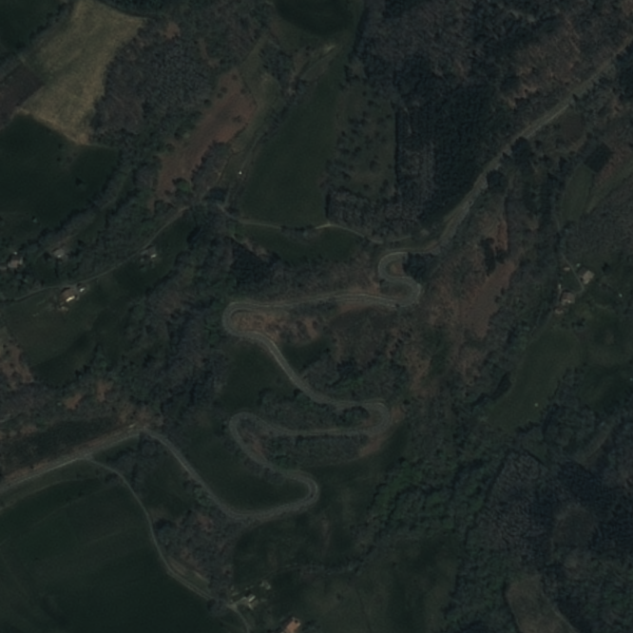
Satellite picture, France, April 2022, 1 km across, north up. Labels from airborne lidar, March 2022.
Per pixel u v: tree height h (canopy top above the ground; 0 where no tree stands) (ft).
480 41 49
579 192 0
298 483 0
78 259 67
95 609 0
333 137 0
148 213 31
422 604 0
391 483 70
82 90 0
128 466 78
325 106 0
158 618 0
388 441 0
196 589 0
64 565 0
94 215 51
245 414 0
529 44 69
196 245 94
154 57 78
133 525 0
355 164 42
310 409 62
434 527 58
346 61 0
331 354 43
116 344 0
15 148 0
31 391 73
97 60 0
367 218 77
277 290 43
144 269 35
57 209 0
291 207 0
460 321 0
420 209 85
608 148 20
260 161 0
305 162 0
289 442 60
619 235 42
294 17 0
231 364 48
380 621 0
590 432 60
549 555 65
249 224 0
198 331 79
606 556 77
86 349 0
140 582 0
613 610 85
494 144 68
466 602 78
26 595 0
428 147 70
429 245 0
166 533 82
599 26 94
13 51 0
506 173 88
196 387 93
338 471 0
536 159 91
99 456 0
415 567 0
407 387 88
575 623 72
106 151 0
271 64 91
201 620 0
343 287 35
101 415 72
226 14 76
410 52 89
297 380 0
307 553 0
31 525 0
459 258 43
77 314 0
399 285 0
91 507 0
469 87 90
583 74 83
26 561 0
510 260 52
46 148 0
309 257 0
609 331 0
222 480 0
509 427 0
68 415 59
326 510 0
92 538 0
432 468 40
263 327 0
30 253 63
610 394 0
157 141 71
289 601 0
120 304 0
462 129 76
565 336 0
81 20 0
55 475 0
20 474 0
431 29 88
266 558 0
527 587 0
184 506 0
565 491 72
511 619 73
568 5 88
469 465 29
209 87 85
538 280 111
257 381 0
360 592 0
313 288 54
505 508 68
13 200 0
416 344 33
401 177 77
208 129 0
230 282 49
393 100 69
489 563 64
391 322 0
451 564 0
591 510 68
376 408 0
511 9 97
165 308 95
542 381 0
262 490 0
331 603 0
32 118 0
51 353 0
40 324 0
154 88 83
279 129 53
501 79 66
